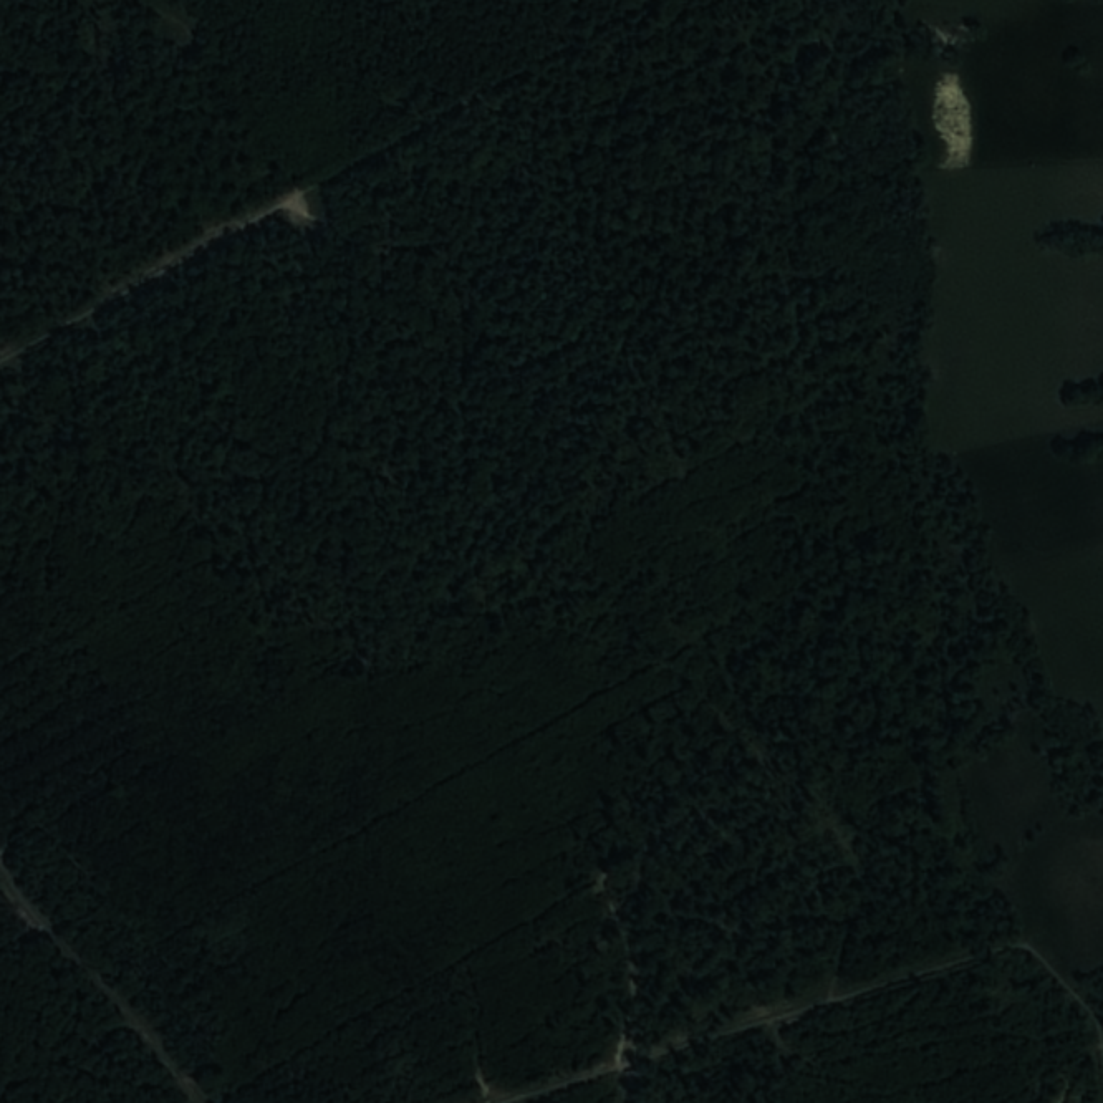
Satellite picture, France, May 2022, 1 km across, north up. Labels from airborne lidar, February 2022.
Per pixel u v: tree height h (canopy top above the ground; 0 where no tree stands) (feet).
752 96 95
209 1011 51
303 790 37
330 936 33
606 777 37
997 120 0
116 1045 72
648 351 92
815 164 93
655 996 102
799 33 50
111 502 50
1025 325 0
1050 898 0
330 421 86
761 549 32
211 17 45
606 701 34
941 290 0
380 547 82
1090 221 0
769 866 102
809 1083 33
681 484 19
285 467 72
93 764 48
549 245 78
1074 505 0
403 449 81
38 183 97
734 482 37
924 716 103
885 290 63
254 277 54
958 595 60
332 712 34
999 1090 38
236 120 86
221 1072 75
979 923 78
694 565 30
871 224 79
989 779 0
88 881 46
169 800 54
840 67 61
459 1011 36
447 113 32
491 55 52
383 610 79
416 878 33
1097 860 0
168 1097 68
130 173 79
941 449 0
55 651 26
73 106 75
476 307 84
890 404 45
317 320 68
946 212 0
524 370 63
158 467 82
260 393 68
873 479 34
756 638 39
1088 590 0
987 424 0
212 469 88
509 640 35
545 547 80
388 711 38
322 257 55
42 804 28
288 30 44
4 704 46
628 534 38
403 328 80
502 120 43
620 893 59
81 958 66
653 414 88
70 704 43
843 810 25
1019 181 0
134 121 68
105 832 36
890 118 77
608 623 31
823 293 74
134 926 39
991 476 0
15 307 84
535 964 28
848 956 39
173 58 53
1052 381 0
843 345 74
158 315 65
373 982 34
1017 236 0
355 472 80
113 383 52
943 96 0
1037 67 0
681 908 84
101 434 59
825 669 87
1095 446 62
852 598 92
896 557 78
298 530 78
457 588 84
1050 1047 45
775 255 37
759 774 53
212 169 77
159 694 40
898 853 114
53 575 38
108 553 33
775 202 104
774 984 85
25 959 56
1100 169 0
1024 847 0
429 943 29
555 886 31
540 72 54
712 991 96
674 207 59
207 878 45
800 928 88
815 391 34
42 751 55
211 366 81
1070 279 0
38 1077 73
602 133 89
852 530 32
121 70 80
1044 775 0
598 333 82
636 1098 105
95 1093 82
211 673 47
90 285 41
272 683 38
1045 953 0
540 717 26
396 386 74
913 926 84
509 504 69
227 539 89
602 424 91
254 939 37
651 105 53
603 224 49
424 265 82
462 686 25
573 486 83
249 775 41
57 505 26
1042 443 0
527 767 30
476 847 32
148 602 40
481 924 33
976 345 0
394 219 70
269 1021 32
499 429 86
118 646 35
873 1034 26
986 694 0
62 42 72
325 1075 41
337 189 61
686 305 105
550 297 58
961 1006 37
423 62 46
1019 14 0
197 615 38
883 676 91
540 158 66
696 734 110
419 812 31
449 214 75
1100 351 0
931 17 0
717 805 102
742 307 76
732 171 90
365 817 37
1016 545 0
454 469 66
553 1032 104
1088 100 0
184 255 0
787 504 32
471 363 52
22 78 49
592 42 55
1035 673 18
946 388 0
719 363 86
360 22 54
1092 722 47
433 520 77
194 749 40
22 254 91
